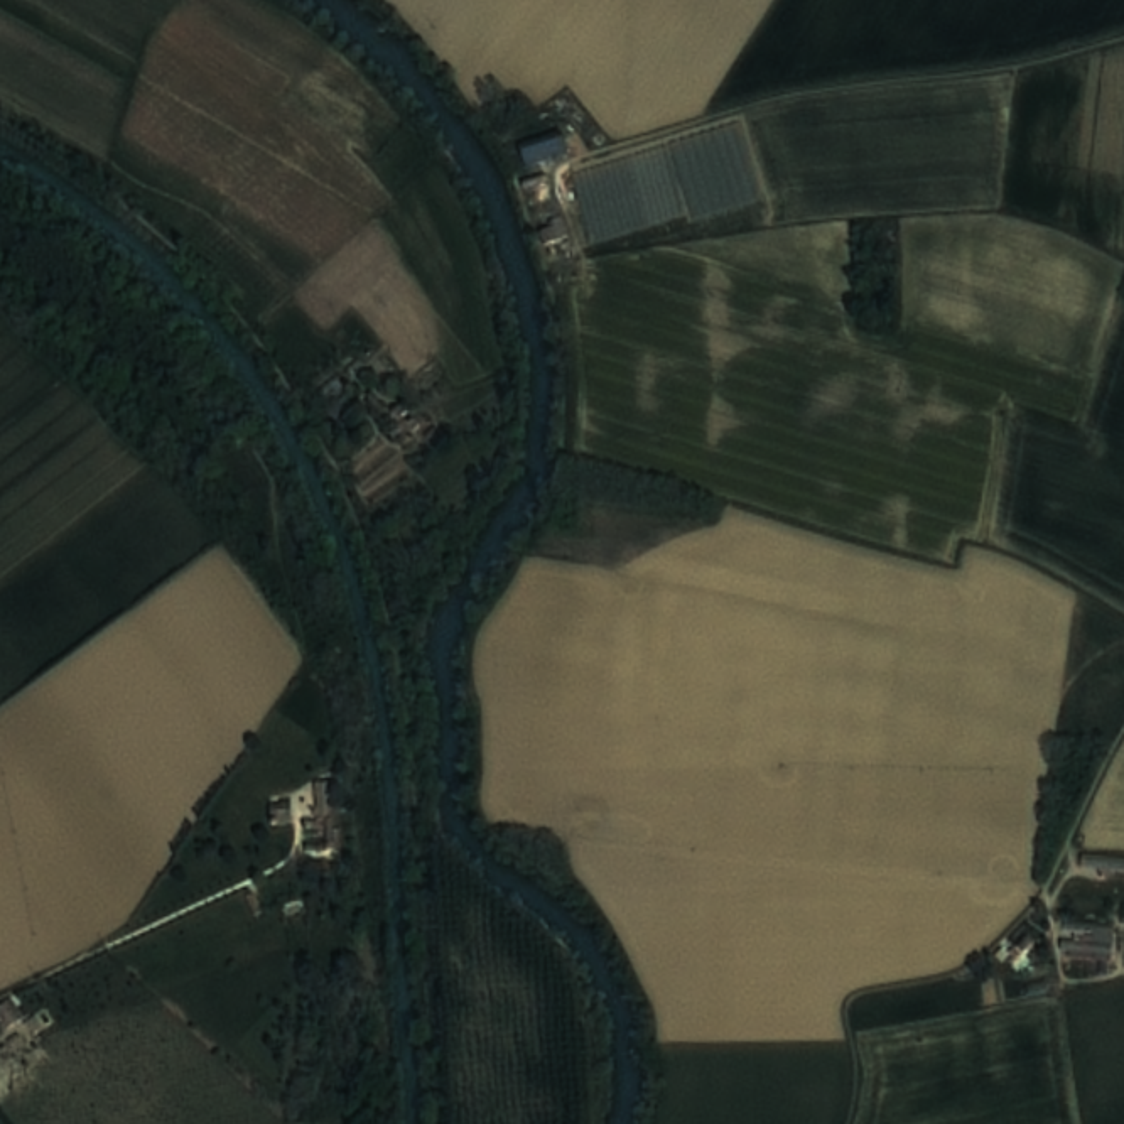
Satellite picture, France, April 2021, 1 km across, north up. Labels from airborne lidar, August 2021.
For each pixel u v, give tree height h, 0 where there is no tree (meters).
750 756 0
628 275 0
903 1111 0
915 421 0
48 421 0
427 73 14
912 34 0
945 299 0
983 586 0
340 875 20
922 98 0
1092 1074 0
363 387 8
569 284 0
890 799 0
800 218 0
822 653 0
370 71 12
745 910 0
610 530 0
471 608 18
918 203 0
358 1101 20
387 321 0
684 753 0
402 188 0
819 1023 0
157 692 0
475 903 31
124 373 22
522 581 0
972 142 0
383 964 8
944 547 0
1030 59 0
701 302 0
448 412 0
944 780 0
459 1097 28
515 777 0
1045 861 13
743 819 0
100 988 7
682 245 0
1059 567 0
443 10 0
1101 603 0
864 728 0
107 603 0
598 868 0
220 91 6
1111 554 0
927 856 0
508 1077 29
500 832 7
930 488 0
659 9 0
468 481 0
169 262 13
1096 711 0
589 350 0
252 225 0
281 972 0
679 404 0
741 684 0
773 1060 0
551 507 18
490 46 0
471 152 0
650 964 0
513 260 0
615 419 0
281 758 0
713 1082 0
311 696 0
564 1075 23
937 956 0
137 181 0
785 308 0
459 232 0
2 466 0
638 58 0
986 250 0
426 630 21
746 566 0
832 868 0
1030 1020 0
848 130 0
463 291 0
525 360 10
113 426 18
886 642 0
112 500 0
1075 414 0
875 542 0
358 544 18
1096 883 0
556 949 23
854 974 0
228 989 0
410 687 12
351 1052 21
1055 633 0
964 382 0
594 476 17
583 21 0
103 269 8
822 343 0
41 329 16
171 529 0
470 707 13
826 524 0
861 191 0
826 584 0
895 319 17
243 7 5
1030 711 0
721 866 0
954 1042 0
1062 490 0
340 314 0
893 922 0
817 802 0
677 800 0
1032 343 0
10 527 0
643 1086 8
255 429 21
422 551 17
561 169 0
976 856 0
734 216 0
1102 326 0
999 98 0
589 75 0
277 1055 8
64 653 6
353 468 14
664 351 0
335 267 0
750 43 0
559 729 0
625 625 0
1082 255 0
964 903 0
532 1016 28
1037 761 0
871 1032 0
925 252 0
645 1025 18
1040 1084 0
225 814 0
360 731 21
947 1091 0
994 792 0
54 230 18
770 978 0
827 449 0
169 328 19
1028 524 0
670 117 0
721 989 0
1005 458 0
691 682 0
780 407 0
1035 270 0
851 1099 0
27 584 0
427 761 17
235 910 0
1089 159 0
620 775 0
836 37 0
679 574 0
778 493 0
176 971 0
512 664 0
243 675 0
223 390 18
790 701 0
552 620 0
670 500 16
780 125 0
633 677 0
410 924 17
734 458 0
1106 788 0
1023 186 0
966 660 0
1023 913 0
